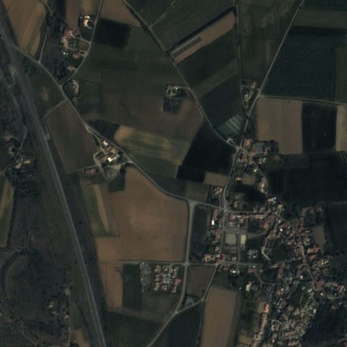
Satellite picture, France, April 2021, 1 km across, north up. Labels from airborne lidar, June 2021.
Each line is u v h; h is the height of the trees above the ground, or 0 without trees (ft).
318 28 0
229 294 0
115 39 0
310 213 0
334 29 0
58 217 0
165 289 0
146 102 0
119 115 0
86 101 0
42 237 0
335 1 18
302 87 21
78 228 0
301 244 30
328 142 0
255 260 0
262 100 0
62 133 0
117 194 0
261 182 0
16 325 28
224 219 0
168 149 0
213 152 0
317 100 0
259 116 0
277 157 0
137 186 0
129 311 0
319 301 55
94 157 0
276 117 0
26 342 0
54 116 0
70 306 41
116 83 0
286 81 17
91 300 0
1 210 0
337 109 0
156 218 0
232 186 0
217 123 19
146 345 0
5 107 25
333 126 0
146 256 0
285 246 21
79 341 0
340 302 42
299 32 0
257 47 0
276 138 0
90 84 0
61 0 0
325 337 55
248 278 25
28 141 17
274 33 0
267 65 0
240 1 0
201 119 0
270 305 0
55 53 0
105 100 0
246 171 41
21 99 0
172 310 0
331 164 0
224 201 0
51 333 22
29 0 0
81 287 0
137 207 0
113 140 55
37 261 28
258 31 0
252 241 0
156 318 0
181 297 0
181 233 0
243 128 0
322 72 22
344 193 0
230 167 0
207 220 0
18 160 26
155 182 0
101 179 0
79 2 0
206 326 0
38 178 0
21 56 0
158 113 0
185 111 0
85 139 0
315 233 0
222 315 0
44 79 0
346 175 0
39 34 0
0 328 0
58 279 0
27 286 0
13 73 0
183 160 0
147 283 0
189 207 0
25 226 23
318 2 19
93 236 0
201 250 0
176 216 0
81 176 0
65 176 0
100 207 0
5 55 0
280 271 0
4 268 31
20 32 0
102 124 44
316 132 0
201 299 0
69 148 0
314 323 56
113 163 0
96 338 0
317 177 0
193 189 0
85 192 0
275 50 0
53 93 0
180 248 0
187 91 0
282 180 0
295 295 21
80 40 0
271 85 18
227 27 0
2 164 0
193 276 0
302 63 20
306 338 61
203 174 0
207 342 0
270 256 33
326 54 20
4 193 0
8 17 0
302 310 0
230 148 0
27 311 0
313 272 0
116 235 0
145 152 0
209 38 0
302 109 0
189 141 0
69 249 0
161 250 0
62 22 26
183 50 0
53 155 0
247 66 0
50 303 0
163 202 0
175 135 0
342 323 62
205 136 0
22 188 29
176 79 0
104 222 0
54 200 0
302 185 0
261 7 0
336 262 0
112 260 0
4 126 47
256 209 30
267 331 49
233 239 0
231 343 0
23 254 20
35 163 32
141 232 0
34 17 0
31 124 18
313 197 0
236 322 0
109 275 0
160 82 0
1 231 0
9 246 24
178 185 0
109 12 0
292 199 0
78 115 0
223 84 19
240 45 38
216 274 22
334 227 0
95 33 0
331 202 0
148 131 0
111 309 0
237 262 0
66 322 30
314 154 0
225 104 18
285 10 0
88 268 0
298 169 0
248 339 0
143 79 0
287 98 0
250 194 0
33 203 21
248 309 0
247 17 0
